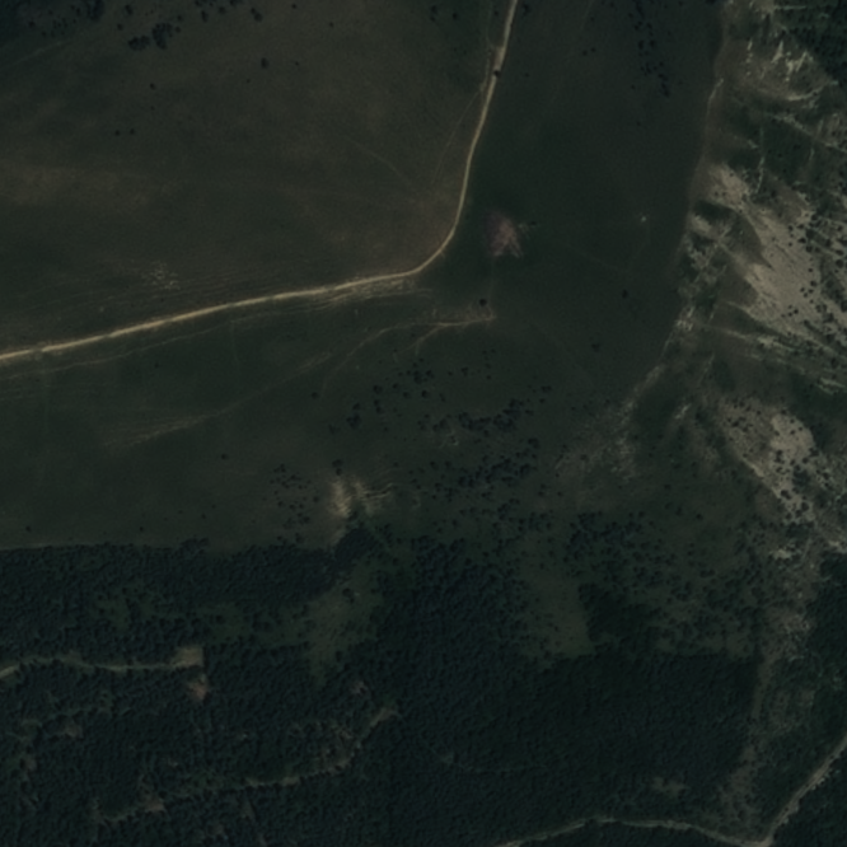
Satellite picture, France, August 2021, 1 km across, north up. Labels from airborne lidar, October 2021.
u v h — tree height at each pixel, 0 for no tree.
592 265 0
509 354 0
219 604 9
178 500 0
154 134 0
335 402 0
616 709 21
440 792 16
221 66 0
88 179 0
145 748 24
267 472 0
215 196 0
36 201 0
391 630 17
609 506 0
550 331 0
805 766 6
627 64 0
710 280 0
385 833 9
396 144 0
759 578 11
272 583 14
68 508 0
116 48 0
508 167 0
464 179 0
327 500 0
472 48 0
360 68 0
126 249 0
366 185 0
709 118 0
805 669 7
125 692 21
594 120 0
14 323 0
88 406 0
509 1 0
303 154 0
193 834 27
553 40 0
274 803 25
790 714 9
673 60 0
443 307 0
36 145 0
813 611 11
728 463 0
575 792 26
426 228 0
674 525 0
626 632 15
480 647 12
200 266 0
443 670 15
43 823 20
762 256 0
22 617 21
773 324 0
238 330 0
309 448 0
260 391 0
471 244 0
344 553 7
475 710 14
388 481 0
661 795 10
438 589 14
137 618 16
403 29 0
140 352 0
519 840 7
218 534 0
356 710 23
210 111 0
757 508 0
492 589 8
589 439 0
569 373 0
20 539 0
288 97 0
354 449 0
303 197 0
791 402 0
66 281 0
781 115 0
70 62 0
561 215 0
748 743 8
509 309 0
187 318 0
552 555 8
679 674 21
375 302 0
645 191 0
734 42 0
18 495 0
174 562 10
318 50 0
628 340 0
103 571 11
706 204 0
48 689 23
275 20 0
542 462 0
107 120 0
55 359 0
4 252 0
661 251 0
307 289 0
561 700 21
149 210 0
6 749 17
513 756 19
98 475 0
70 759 23
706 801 12
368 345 0
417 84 0
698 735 14
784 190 0
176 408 0
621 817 10
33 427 0
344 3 0
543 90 0
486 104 0
